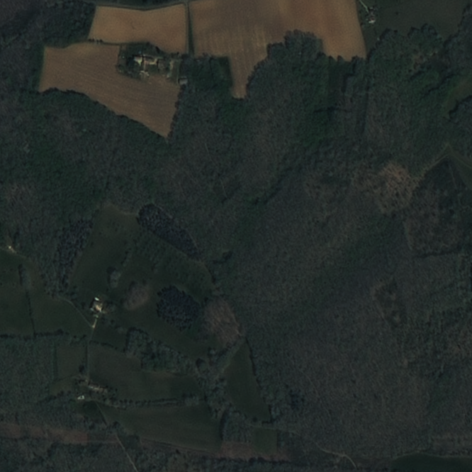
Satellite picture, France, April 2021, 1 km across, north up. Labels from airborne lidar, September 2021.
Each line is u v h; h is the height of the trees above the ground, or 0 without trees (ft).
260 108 51
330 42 0
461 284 62
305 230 49
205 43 0
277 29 0
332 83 18
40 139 80
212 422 0
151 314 0
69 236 46
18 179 74
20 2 24
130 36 0
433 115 57
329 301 49
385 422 39
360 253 64
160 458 21
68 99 68
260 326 61
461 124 52
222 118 74
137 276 0
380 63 44
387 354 47
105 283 0
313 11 0
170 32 0
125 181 56
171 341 0
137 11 0
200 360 0
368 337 49
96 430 70
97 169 52
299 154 40
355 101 41
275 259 51
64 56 0
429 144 61
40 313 0
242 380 0
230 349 59
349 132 43
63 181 82
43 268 63
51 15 35
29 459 39
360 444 50
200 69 36
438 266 42
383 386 45
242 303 55
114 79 0
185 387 0
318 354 33
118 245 0
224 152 50
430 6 0
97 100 0
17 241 56
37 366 61
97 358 0
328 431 47
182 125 70
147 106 0
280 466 49
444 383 64
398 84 48
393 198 54
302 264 46
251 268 49
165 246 35
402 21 0
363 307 39
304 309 59
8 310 0
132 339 58
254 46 0
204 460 23
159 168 56
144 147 70
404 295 48
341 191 44
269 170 49
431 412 58
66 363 0
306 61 85
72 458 52
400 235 41
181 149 53
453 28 0
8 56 45
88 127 62
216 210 50
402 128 52
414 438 59
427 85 51
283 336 46
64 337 76
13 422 32
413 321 49
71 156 57
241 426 54
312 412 32
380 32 0
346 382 33
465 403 43
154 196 63
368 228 51
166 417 0
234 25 0
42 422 54
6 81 69
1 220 67
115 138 52
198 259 49
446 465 0
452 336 21
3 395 52
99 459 50
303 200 50
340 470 43
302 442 37
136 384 0
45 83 0
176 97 0
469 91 0
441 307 73
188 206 59
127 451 38
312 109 62
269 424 32
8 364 55
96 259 0
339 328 42
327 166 33
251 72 0
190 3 0
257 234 54
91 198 72
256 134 50
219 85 53
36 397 57
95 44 31
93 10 20
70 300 18
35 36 40
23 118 84
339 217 44
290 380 37
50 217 54
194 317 45
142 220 37
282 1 0
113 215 0
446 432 45
